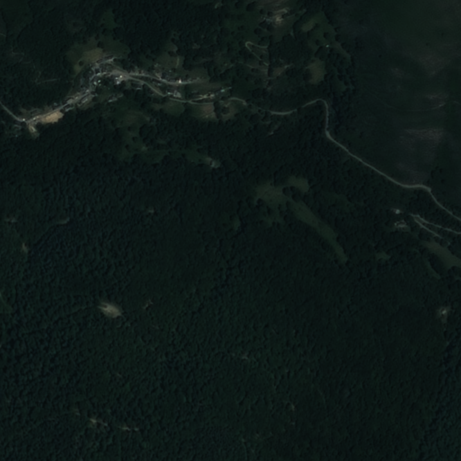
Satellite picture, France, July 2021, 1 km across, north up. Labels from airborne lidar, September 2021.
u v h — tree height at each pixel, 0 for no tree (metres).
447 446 20
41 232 19
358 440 17
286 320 23
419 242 16
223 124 17
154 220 27
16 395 32
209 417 25
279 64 14
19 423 20
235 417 24
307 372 18
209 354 16
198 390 26
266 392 23
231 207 22
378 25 0
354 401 24
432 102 0
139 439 27
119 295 25
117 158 33
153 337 28
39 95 11
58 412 17
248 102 17
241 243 19
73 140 22
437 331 13
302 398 19
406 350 17
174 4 19
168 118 18
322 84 14
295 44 18
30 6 14
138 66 13
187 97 7
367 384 19
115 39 17
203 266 26
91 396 20
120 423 27
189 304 22
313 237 11
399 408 9
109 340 23
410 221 26
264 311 20
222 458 21
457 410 18
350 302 23
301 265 18
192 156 0
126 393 27
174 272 22
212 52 14
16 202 24
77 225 22
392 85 0
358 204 9
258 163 34
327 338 22
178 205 25
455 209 15
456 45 0
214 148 18
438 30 0
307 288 19
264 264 21
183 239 22
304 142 23
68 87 10
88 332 22
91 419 27
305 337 21
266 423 20
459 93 0
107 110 8
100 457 27
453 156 0
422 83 0
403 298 16
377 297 20
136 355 18
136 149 9
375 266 31
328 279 19
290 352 11
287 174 7
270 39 14
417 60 0
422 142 0
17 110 13
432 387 26
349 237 22
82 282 15
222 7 10
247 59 13
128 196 26
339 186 19
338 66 23
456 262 0
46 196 21
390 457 28
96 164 27
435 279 19
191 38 22
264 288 25
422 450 28
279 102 7
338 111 20
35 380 27
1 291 16
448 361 26
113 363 14
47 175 26
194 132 22
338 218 25
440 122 0
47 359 28
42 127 18
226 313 24
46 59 12
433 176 13
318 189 14
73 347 25
